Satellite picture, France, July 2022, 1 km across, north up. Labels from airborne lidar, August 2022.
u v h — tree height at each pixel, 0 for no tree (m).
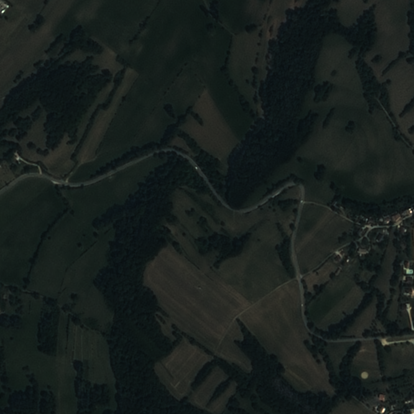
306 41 20
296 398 24
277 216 0
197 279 0
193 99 0
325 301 0
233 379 7
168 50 0
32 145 12
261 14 0
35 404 24
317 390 0
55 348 8
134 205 24
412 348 0
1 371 6
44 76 21
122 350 18
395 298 0
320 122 0
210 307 0
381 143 0
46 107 11
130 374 20
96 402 17
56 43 9
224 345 0
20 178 0
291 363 0
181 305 0
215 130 0
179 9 0
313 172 0
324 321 0
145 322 15
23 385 0
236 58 0
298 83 25
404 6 0
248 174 24
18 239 0
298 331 0
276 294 0
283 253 12
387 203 13
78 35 16
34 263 20
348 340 0
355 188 0
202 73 0
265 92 20
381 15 0
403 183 0
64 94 21
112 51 0
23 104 16
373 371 0
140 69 0
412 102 7
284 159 21
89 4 0
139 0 0
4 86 0
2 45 0
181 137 9
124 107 0
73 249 0
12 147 10
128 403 24
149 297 15
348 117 0
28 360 0
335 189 14
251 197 0
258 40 0
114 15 0
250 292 0
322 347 8
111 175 0
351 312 0
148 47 0
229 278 0
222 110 0
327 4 18
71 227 0
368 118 0
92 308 0
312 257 0
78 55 0
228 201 16
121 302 11
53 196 0
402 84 0
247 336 16
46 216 0
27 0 0
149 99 0
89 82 9
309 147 0
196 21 0
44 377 0
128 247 11
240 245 20
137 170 0
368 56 0
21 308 7
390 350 13
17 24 0
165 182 18
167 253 0
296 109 22
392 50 0
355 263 0
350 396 13
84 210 0
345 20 0
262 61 0
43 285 0
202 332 0
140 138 0
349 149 0
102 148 0
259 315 0
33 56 0
